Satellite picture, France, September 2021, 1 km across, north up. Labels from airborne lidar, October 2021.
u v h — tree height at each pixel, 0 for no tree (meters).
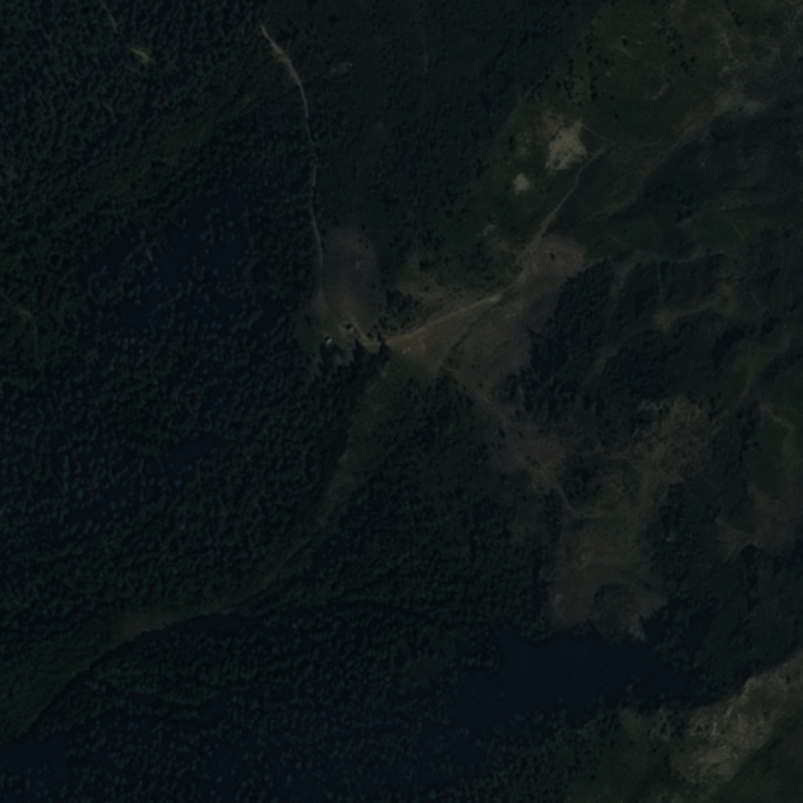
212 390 9
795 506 0
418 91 0
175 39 25
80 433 24
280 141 10
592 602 0
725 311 0
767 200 0
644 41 0
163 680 9
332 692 12
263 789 9
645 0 0
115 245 8
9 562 14
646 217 0
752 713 0
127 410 16
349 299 0
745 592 0
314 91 8
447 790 17
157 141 11
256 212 13
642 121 0
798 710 0
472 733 8
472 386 0
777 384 0
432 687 0
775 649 0
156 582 16
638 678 8
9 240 12
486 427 0
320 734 12
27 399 16
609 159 0
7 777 29
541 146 0
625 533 0
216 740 13
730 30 0
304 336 0
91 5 25
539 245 0
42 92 24
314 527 6
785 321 0
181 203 9
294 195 11
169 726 21
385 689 7
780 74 0
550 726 12
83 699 16
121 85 31
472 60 0
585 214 0
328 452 16
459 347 0
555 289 0
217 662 16
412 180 6
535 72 0
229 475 28
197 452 21
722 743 0
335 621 7
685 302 0
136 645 7
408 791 6
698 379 0
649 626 0
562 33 0
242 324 34
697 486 0
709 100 0
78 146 29
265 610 12
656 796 0
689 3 0
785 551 0
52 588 21
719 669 0
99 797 15
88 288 25
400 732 9
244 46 13
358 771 9
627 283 0
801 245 0
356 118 0
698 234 0
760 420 0
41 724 16
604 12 0
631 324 0
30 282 6
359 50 0
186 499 12
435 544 8
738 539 0
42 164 10
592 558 0
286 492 31
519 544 0
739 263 0
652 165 0
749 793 0
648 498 0
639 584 0
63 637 16
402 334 0
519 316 0
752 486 0
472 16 0
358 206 0
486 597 7
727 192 0
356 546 15
